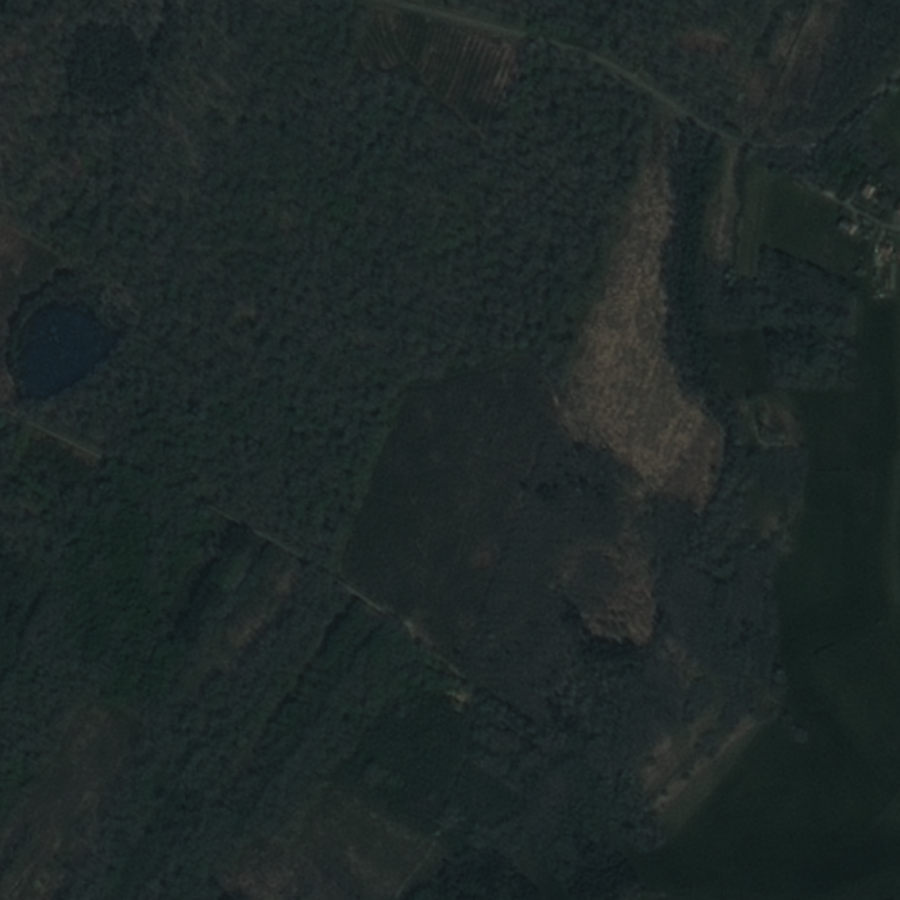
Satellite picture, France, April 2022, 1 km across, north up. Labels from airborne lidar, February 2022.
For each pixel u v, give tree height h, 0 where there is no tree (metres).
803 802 0
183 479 25
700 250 27
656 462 0
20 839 0
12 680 26
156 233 30
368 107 24
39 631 29
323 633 27
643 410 0
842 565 0
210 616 25
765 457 19
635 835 25
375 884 0
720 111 17
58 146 25
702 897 0
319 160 27
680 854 0
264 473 28
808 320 23
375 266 24
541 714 8
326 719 21
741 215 0
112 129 27
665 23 26
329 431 26
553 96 24
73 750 0
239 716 29
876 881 0
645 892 14
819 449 0
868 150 21
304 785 27
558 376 28
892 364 0
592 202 28
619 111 24
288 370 23
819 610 0
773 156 13
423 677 24
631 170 26
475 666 13
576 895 16
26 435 21
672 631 24
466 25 0
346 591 27
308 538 26
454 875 22
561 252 19
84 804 0
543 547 12
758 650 21
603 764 30
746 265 0
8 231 0
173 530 28
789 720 18
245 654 0
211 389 23
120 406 29
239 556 20
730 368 0
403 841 0
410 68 6
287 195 31
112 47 16
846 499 0
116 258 27
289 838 18
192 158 28
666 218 0
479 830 21
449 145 29
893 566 0
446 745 14
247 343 28
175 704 28
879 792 0
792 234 0
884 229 0
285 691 28
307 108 28
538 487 9
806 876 0
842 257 0
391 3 0
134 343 25
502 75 0
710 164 25
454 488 5
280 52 28
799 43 0
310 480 26
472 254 23
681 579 23
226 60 26
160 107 25
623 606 0
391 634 22
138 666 26
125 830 25
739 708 7
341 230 25
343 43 27
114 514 29
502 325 25
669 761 0
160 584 31
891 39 17
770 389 0
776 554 17
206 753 27
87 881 23
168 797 21
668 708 21
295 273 28
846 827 0
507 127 23
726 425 10
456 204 30
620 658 21
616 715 24
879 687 0
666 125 0
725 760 0
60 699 31
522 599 13
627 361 0
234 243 25
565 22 25
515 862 14
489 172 24
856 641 0
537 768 27
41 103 24
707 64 23
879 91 0
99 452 24
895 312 0
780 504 0
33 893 0
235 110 25
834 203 0
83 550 22
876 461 0
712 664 19
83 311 0
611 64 0
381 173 26
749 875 0
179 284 28
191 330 14
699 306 26
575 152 23
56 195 23
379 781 29
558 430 11
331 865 0
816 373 29
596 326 0
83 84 18
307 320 26
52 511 29
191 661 27
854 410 0
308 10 24
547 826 26
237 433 23
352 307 24
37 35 23
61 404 19
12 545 27
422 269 27
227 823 27
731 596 22
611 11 19
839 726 0
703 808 0
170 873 27
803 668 0
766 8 26
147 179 24
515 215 25
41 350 0
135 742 0
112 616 23
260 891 0
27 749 31
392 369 26
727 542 11
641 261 0
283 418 24
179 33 31
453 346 25
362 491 15
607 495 14
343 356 22
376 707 25
